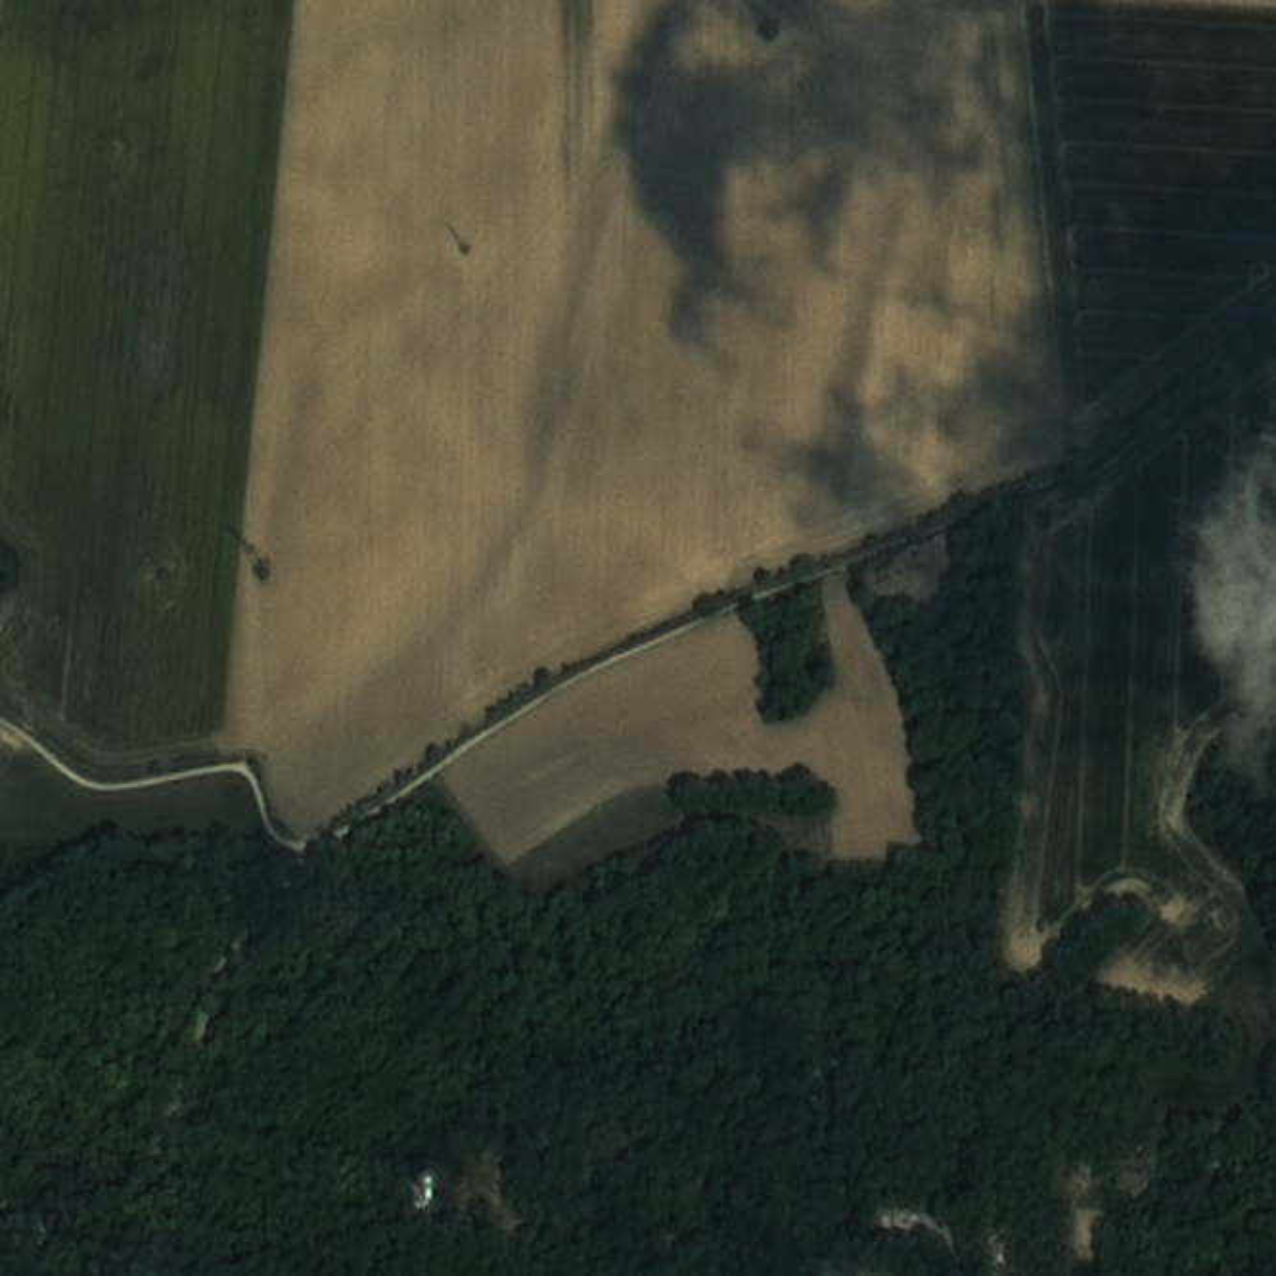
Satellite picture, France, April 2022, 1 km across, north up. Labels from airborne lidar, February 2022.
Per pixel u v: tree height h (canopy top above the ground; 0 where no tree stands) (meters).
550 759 0
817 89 0
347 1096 8
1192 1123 10
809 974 16
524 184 0
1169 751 0
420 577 0
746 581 0
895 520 0
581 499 0
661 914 20
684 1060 9
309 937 21
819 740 0
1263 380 0
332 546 0
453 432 0
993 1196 21
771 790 22
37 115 0
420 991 25
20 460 0
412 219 0
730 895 21
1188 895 0
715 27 0
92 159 0
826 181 0
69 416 0
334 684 0
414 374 0
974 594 20
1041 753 0
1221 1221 11
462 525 0
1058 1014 19
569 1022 20
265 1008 19
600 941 18
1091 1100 24
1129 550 0
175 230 0
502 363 0
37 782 0
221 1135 15
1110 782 0
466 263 0
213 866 22
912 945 18
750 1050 28
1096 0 0
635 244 0
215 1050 18
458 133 0
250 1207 16
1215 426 0
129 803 0
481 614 0
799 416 0
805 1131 6
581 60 0
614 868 8
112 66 0
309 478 0
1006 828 20
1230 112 0
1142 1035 26
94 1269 15
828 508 0
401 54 0
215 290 0
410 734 0
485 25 0
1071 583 0
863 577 9
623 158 0
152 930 21
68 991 12
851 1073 24
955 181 0
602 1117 18
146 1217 14
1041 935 0
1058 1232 19
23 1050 16
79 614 0
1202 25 0
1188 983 0
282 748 0
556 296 0
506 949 11
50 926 24
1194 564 0
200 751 0
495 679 0
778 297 0
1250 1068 0
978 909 21
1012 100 0
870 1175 22
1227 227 0
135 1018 15
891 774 0
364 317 0
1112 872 0
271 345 0
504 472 0
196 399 0
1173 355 0
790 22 0
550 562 0
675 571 0
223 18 0
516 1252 15
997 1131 25
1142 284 0
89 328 0
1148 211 0
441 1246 26
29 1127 15
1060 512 0
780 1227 21
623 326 0
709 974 26
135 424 0
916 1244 14
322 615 0
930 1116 22
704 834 24
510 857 0
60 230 0
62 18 0
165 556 0
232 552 0
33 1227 16
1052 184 0
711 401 0
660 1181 26
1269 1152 14
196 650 0
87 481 0
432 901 18
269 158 0
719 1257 12
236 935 17
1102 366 0
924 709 24
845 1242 13
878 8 0
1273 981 0
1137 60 0
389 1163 14
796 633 21
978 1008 23
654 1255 11
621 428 0
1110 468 0
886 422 0
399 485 0
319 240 0
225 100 0
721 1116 29
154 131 0
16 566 0
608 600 0
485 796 0
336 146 0
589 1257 24
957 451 0
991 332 0
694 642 0
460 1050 12
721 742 0
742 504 0
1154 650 0
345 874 21
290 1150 14
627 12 0
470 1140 22
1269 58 0
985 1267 7
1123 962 0
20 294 0
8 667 0
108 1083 15
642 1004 24
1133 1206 7
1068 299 0
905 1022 21
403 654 0
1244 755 9
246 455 0
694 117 0
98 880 25
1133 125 0
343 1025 16
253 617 0
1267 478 0
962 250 0
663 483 0
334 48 0
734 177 0
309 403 0
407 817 14
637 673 0
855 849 0
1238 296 0
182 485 0
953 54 0
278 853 15
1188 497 0
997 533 20
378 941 21
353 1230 13
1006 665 19
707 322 0
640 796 0
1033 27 0
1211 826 14
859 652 0
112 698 0
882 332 0
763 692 8
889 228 0
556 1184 25
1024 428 0
